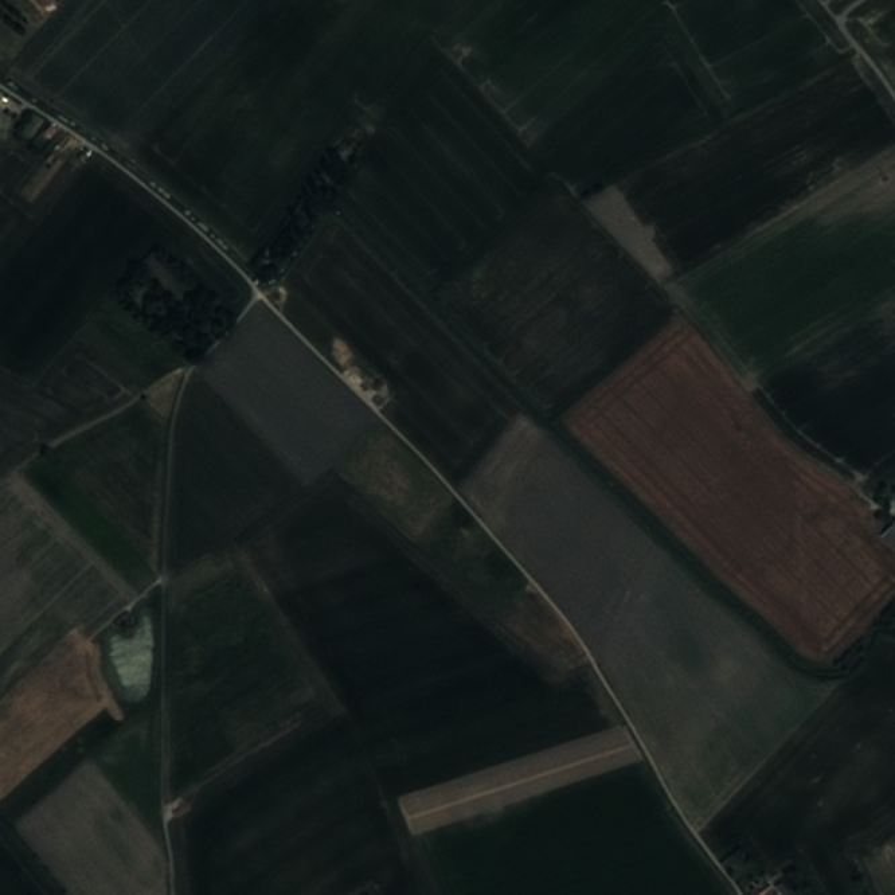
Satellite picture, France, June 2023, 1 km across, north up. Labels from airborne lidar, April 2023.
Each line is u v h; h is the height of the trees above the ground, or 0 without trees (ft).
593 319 0
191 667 0
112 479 0
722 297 0
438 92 0
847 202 0
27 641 0
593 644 0
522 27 0
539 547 0
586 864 0
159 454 0
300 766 0
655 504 0
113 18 0
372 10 0
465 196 0
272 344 0
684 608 0
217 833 0
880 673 0
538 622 0
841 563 0
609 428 0
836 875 0
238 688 0
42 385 0
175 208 0
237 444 0
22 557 0
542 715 0
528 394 0
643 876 0
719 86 0
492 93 0
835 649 0
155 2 0
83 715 0
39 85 0
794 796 0
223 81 0
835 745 0
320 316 0
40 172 0
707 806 0
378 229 0
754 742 0
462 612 0
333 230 0
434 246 0
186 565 0
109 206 0
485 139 0
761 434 0
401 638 0
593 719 0
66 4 0
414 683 0
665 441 0
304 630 0
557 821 0
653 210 0
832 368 0
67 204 0
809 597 0
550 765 0
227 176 0
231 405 0
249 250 0
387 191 0
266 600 0
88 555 0
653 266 0
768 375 0
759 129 0
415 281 0
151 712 0
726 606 0
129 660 0
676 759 0
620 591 0
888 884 0
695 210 0
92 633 0
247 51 0
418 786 0
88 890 0
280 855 0
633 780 0
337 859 0
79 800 0
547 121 0
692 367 0
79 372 0
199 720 0
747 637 0
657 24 0
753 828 0
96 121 0
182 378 0
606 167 0
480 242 0
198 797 0
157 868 0
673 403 0
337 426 0
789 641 0
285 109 0
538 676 0
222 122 0
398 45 0
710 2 0
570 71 0
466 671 0
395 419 0
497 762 0
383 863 0
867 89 0
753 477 0
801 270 0
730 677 0
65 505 0
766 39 0
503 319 0
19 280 0
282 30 0
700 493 0
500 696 0
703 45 0
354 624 0
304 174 0
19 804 0
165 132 0
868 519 0
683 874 0
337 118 0
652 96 0
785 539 0
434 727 0
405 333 0
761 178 0
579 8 0
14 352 0
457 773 0
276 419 0
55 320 0
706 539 0
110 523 0
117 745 0
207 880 0
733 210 0
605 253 0
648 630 0
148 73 0
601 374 0
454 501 0
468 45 0
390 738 0
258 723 0
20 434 0
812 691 0
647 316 0
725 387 0
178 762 0
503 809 0
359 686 0
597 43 0
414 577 0
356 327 0
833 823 0
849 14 0
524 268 0
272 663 0
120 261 0
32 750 0
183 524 0
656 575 0
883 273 0
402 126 0
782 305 0
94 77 0
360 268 0
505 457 0
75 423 0
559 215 0
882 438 0
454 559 0
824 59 0
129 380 0
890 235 0
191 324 24
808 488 0
